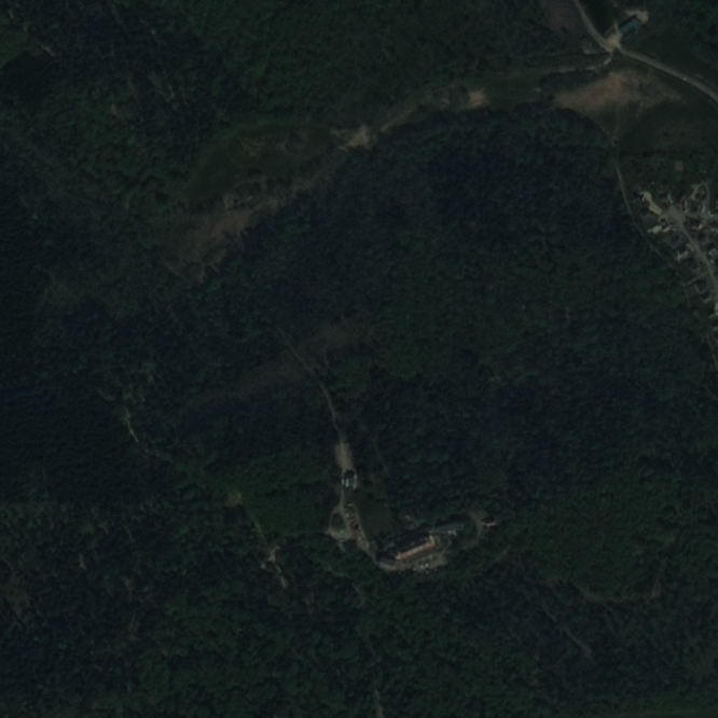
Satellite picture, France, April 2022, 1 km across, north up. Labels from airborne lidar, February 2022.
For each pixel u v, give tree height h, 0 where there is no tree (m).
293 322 20
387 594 23
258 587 24
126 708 22
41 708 21
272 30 19
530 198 29
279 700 15
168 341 34
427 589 23
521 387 23
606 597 7
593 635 30
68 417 23
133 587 11
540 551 19
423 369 28
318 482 13
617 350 31
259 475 24
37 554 31
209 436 30
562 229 23
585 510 20
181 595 27
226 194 0
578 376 30
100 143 18
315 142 0
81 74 25
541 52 26
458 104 22
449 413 20
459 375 31
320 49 16
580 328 29
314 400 20
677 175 0
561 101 0
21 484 23
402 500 16
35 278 23
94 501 25
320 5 19
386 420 25
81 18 36
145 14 29
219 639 26
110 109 24
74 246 17
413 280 31
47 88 16
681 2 20
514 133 29
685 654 20
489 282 28
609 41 0
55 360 21
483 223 24
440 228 23
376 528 0
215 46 31
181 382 34
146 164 19
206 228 0
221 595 26
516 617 25
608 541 16
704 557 28
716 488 30
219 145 14
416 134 27
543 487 25
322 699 24
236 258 25
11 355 17
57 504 16
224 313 22
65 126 22
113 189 25
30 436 25
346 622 28
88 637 29
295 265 17
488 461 24
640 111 0
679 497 28
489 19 19
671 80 0
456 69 21
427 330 29
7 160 20
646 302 32
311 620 26
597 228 27
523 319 21
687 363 33
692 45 18
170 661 8
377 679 18
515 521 21
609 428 16
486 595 29
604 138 21
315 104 23
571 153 29
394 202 23
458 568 18
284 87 21
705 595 31
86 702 25
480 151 26
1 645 28
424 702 24
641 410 28
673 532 26
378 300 27
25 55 17
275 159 0
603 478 21
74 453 27
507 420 26
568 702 21
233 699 25
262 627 27
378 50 26
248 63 29
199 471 23
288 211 14
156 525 33
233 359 28
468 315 27
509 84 0
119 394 18
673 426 33
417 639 26
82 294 20
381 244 24
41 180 11
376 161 23
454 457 23
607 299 26
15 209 22
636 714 16
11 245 22
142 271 17
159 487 26
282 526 22
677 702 21
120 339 28
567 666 10
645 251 20
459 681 29
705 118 0
